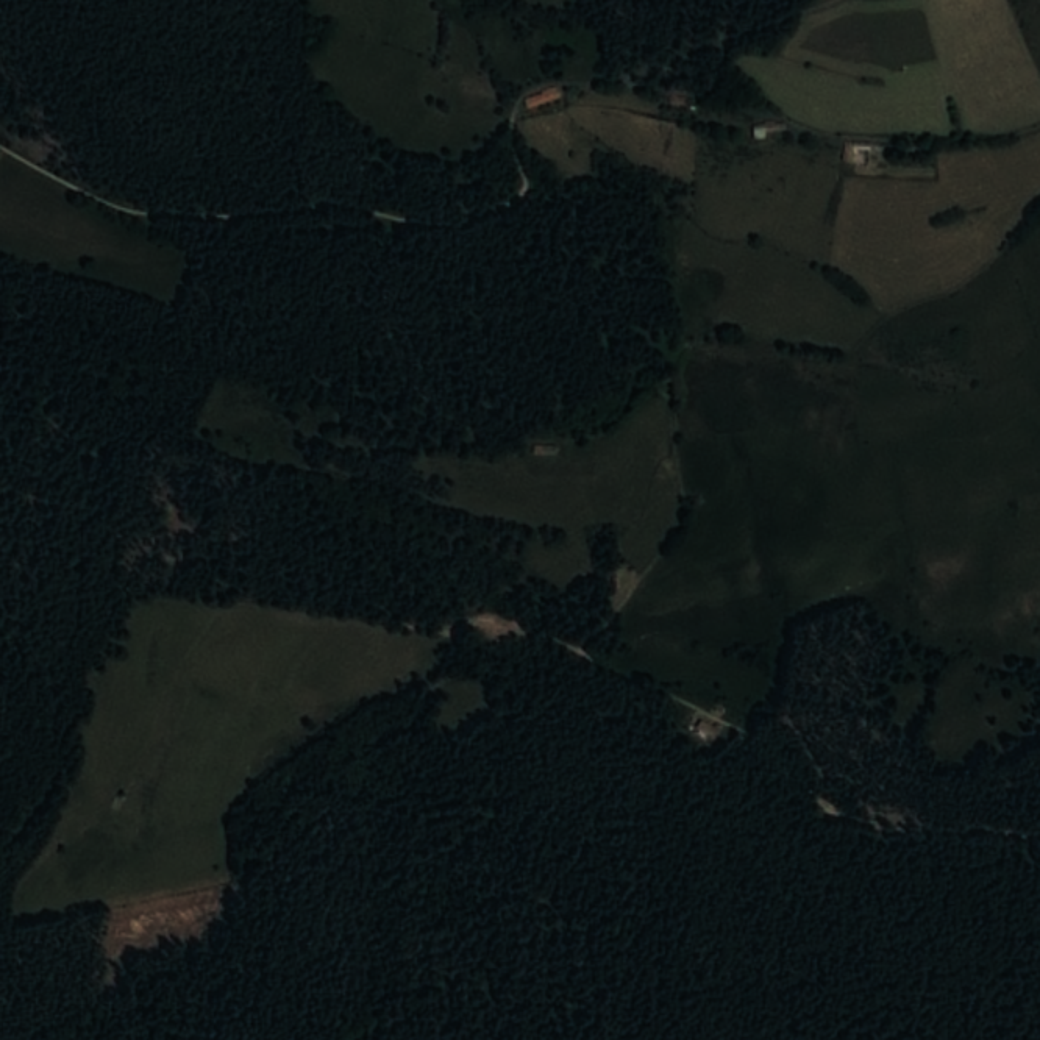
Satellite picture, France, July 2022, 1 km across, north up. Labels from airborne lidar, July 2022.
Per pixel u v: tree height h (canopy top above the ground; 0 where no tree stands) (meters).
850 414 0
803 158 0
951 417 0
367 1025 19
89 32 18
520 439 22
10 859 18
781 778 20
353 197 22
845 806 31
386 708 15
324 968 22
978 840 23
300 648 0
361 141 24
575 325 24
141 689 0
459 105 0
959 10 0
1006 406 0
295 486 21
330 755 17
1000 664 0
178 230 12
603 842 16
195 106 15
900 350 0
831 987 25
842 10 0
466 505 0
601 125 0
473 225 26
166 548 26
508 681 20
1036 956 23
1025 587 0
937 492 0
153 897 0
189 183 20
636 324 23
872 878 23
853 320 0
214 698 0
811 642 29
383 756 17
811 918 24
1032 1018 21
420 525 10
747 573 0
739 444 0
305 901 26
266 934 21
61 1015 27
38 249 0
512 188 8
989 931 23
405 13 0
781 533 0
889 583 0
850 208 0
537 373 25
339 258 28
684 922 15
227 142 17
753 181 0
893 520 0
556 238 23
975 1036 25
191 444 16
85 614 23
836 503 0
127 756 0
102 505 25
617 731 19
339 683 0
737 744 13
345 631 0
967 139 13
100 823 0
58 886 0
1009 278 0
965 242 0
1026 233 18
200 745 0
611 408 14
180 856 0
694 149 0
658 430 0
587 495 0
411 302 27
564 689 22
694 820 22
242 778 0
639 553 0
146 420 22
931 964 21
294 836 20
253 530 26
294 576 16
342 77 0
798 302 0
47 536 27
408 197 24
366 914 21
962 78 0
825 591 0
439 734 11
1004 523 0
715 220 0
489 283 24
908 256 0
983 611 0
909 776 28
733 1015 24
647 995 21
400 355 20
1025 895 22
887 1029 25
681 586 0
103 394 23
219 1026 21
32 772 23
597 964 26
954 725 0
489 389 13
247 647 0
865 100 0
